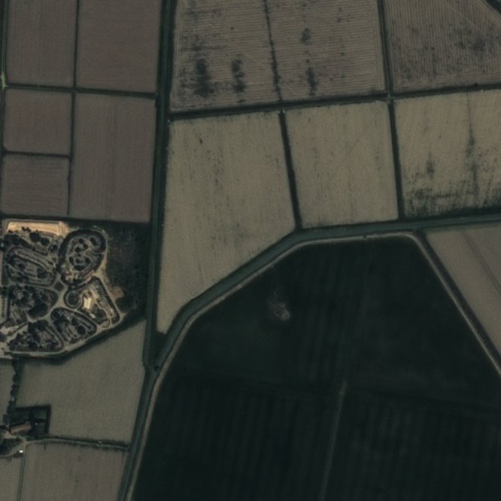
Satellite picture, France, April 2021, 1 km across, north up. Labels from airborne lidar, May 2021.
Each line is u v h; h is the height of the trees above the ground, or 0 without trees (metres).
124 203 0
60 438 0
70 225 0
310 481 0
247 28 0
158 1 0
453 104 0
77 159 0
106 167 0
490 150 0
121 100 0
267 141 0
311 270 0
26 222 0
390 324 0
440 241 0
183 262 0
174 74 0
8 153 0
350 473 0
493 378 0
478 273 0
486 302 0
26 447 0
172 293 0
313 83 0
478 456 0
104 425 0
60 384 0
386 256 0
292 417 0
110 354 0
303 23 0
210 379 0
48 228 0
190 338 0
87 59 0
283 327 0
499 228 0
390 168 0
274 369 0
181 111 0
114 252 0
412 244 0
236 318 0
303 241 0
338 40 0
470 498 0
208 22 0
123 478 0
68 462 0
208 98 0
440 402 0
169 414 0
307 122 0
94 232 6
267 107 0
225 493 0
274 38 0
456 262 0
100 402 0
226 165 0
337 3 0
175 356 0
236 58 0
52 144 0
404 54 0
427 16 0
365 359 0
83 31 0
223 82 0
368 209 0
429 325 0
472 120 0
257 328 0
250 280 0
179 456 0
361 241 0
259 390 0
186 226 0
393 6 0
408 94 0
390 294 0
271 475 0
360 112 0
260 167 0
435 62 0
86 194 0
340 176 0
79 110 0
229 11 0
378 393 0
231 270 0
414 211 0
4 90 0
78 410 0
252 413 0
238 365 0
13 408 12
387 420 0
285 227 0
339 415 0
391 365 0
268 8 0
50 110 0
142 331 0
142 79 0
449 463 0
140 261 0
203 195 0
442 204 0
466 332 0
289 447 0
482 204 0
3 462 0
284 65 0
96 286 0
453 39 0
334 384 0
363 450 0
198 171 0
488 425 0
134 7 0
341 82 0
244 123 0
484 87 0
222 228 0
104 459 0
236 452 0
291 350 0
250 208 0
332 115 0
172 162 0
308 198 0
